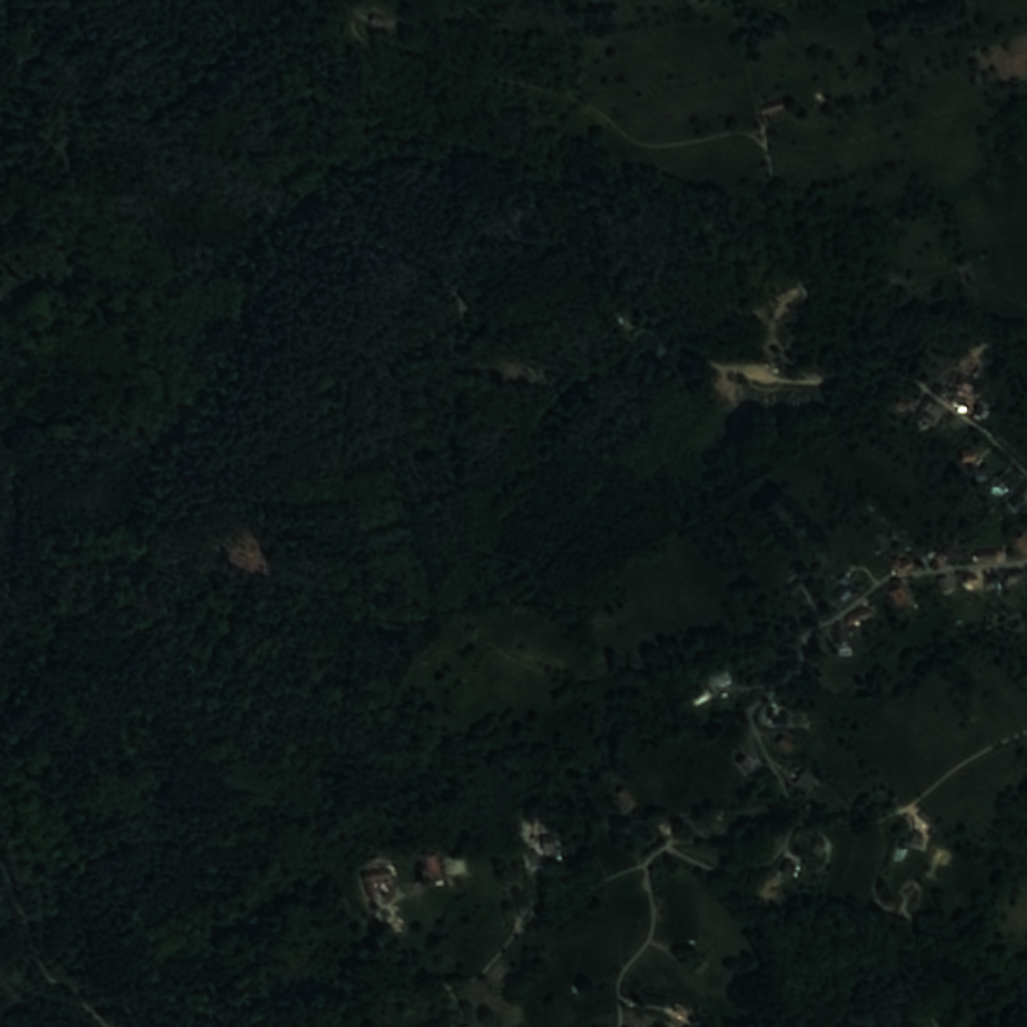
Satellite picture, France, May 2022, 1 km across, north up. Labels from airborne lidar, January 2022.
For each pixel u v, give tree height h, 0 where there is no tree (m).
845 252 15
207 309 23
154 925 32
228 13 21
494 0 12
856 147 0
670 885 0
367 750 25
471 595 16
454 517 20
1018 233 0
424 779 19
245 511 20
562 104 0
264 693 22
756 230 8
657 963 0
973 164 0
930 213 18
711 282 19
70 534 25
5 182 17
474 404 33
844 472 0
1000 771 0
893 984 29
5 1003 18
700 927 0
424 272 18
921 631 0
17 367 18
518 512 20
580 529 18
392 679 23
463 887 9
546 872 20
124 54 29
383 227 28
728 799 0
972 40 9
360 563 21
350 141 15
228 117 24
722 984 0
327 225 25
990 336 22
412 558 16
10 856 12
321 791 20
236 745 24
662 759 0
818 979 33
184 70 33
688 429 22
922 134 0
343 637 25
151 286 28
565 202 25
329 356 26
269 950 34
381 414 28
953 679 16
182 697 21
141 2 31
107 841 25
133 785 20
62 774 32
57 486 18
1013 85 7
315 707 29
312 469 21
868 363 23
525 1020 0
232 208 24
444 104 25
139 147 18
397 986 14
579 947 0
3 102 26
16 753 27
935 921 11
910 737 0
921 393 8
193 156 23
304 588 22
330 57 23
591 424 26
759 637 14
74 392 18
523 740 9
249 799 23
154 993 25
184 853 27
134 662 26
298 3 21
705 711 0
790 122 0
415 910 0
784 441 22
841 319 14
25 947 12
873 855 0
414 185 29
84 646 21
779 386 0
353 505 17
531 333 26
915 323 23
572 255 22
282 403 24
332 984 14
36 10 22
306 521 24
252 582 27
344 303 29
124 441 26
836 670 0
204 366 27
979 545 0
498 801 27
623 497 17
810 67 0
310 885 6
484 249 27
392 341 28
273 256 18
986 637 7
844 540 0
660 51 0
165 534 28
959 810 0
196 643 25
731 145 0
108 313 25
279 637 27
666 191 16
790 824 15
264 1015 29
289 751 28
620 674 20
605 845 0
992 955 19
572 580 18
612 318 11
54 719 31
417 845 16
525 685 0
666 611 0
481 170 30
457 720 0
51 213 23
